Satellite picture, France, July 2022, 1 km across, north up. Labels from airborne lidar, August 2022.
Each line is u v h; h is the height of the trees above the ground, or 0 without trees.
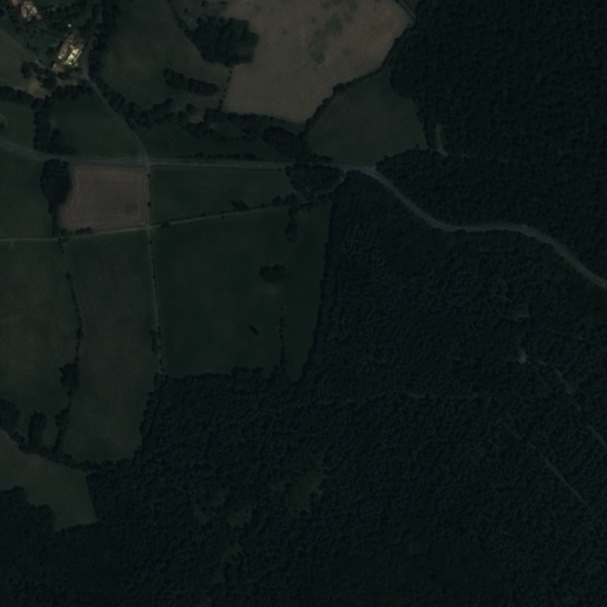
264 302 0
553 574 7
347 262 21
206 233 0
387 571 24
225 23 12
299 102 0
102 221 0
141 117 25
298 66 0
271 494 21
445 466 19
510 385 22
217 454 23
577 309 24
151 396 12
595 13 18
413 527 23
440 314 27
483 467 23
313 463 18
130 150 0
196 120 0
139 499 13
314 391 28
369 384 26
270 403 23
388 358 25
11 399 0
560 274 20
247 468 20
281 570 20
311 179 20
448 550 23
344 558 22
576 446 28
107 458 0
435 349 28
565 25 15
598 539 11
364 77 6
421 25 16
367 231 25
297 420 22
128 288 0
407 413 25
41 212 0
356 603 17
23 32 11
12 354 0
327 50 0
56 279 0
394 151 0
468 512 18
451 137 18
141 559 18
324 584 23
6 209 0
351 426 19
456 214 20
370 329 27
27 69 9
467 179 18
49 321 0
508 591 14
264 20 0
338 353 24
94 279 0
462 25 18
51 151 25
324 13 0
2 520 18
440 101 19
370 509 27
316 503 16
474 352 24
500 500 23
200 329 0
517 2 20
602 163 20
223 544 16
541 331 27
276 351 0
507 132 22
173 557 18
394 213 22
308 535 30
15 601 16
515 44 23
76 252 0
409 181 18
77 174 0
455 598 24
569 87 23
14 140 0
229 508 14
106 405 0
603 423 27
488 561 18
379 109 0
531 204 20
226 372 0
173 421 20
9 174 0
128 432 0
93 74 27
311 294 0
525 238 16
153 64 0
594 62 15
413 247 27
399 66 16
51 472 0
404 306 27
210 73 0
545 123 22
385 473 23
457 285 23
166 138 0
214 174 0
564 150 19
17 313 0
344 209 25
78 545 18
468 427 26
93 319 0
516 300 17
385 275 29
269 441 24
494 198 18
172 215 0
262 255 0
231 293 0
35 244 0
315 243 0
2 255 0
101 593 8
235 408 23
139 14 0
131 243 0
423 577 23
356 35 0
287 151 28
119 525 21
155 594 13
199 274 0
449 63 21
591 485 24
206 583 19
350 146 0
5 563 16
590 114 22
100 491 24
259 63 0
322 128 0
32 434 17
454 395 26
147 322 0
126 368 0
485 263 17
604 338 16
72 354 0
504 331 26
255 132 23
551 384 26
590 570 25
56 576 18
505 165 14
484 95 21
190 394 19
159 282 0
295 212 17
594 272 19
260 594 25
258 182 0
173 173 0
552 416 26
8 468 0
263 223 0
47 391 0
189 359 0
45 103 11
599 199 20
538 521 25
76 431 0
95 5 10
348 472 24
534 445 24
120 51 0
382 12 0
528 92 20
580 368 28
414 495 22
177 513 15
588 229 10
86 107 0
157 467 19
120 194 0
